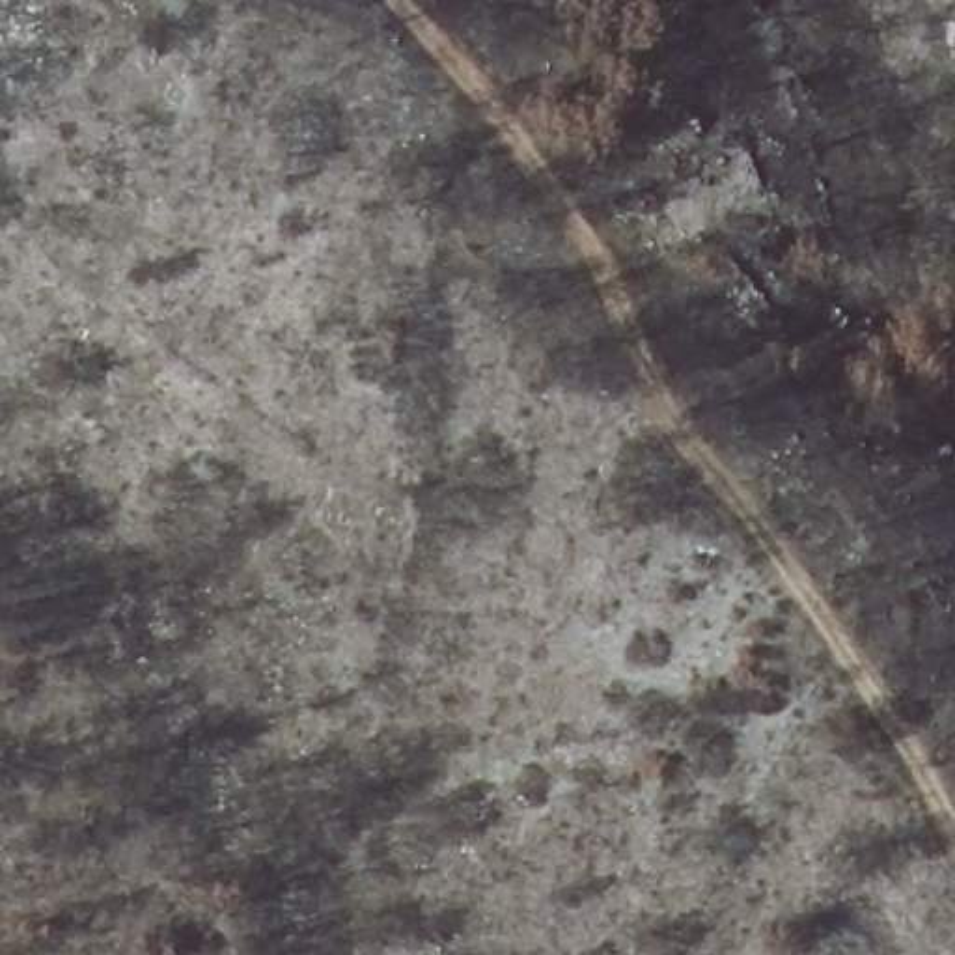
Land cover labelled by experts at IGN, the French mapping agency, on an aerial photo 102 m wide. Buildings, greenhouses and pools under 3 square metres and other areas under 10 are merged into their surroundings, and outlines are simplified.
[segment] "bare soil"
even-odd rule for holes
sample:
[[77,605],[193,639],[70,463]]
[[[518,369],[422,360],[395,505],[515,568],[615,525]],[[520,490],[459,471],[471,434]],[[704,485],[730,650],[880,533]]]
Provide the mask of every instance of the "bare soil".
[[[649,48],[638,48],[630,60],[630,93],[616,112],[619,131],[612,142],[593,142],[593,157],[582,157],[563,153],[567,123],[556,104],[560,82],[574,78],[578,71],[571,67],[563,48],[533,48],[541,37],[548,37],[548,30],[560,26],[560,0],[418,0],[418,7],[481,67],[489,86],[500,93],[504,108],[515,112],[522,131],[533,138],[545,164],[526,168],[515,160],[511,145],[500,142],[496,127],[485,123],[481,104],[436,63],[433,52],[425,52],[425,45],[403,22],[403,15],[395,15],[384,0],[0,0],[0,955],[955,955],[955,839],[940,828],[940,817],[929,810],[921,787],[914,783],[899,754],[899,742],[907,735],[918,735],[925,742],[933,768],[944,776],[955,798],[955,429],[933,414],[921,414],[910,429],[907,448],[899,451],[899,463],[892,463],[877,448],[854,444],[839,429],[839,414],[847,407],[847,395],[854,392],[854,358],[877,332],[877,325],[895,325],[888,310],[895,291],[955,287],[955,0],[657,0],[660,34]],[[593,265],[582,257],[578,242],[567,231],[567,220],[578,213],[593,224],[627,284],[634,313],[623,321],[608,313]],[[638,343],[649,343],[653,358],[664,366],[668,388],[660,395],[630,392],[638,384]],[[698,425],[698,436],[750,478],[750,489],[761,504],[757,515],[735,515],[705,485],[698,466],[690,466],[664,436],[683,410]],[[824,638],[813,630],[810,616],[787,597],[768,560],[798,560],[806,567],[810,582],[824,593],[854,645],[880,671],[884,698],[869,705],[858,698],[858,683],[843,664],[836,664]]]

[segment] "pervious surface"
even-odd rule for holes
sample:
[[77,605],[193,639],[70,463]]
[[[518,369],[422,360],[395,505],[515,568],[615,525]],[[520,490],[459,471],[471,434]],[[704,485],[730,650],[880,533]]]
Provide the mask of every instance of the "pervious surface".
[[698,466],[705,485],[735,515],[757,515],[761,504],[750,489],[750,478],[698,436],[698,425],[683,410],[664,436],[690,466]]
[[854,645],[824,593],[810,582],[806,567],[798,560],[768,560],[787,597],[810,616],[813,630],[824,638],[836,664],[843,664],[858,683],[858,698],[869,705],[884,698],[880,671]]
[[899,754],[914,783],[921,787],[929,810],[940,817],[940,828],[955,839],[955,798],[944,776],[933,768],[925,742],[918,735],[907,735],[899,742]]
[[533,138],[522,131],[515,112],[504,108],[500,93],[489,86],[481,67],[418,7],[418,0],[384,0],[395,15],[403,15],[403,22],[425,45],[425,52],[433,52],[436,63],[481,104],[485,123],[496,127],[500,142],[511,145],[515,160],[526,168],[545,164]]
[[638,343],[638,384],[630,392],[660,395],[668,388],[664,366],[653,358],[649,343]]
[[593,265],[608,313],[623,321],[634,313],[627,284],[593,224],[578,213],[567,220],[567,231],[578,242],[582,257]]

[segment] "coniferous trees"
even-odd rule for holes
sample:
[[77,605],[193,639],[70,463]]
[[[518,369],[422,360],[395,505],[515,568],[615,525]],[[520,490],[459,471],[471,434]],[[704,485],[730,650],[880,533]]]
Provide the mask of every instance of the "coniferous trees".
[[548,30],[548,37],[541,37],[533,48],[563,48],[571,67],[578,71],[574,78],[560,82],[556,104],[567,123],[563,153],[582,157],[593,157],[593,142],[612,142],[619,131],[616,112],[630,93],[630,60],[638,48],[649,48],[660,34],[657,0],[560,0],[560,26]]
[[888,310],[895,325],[877,325],[877,332],[854,358],[854,392],[847,395],[847,407],[839,414],[839,429],[854,444],[877,448],[892,463],[899,463],[899,451],[907,448],[910,429],[921,414],[933,414],[955,429],[955,287],[895,291]]

